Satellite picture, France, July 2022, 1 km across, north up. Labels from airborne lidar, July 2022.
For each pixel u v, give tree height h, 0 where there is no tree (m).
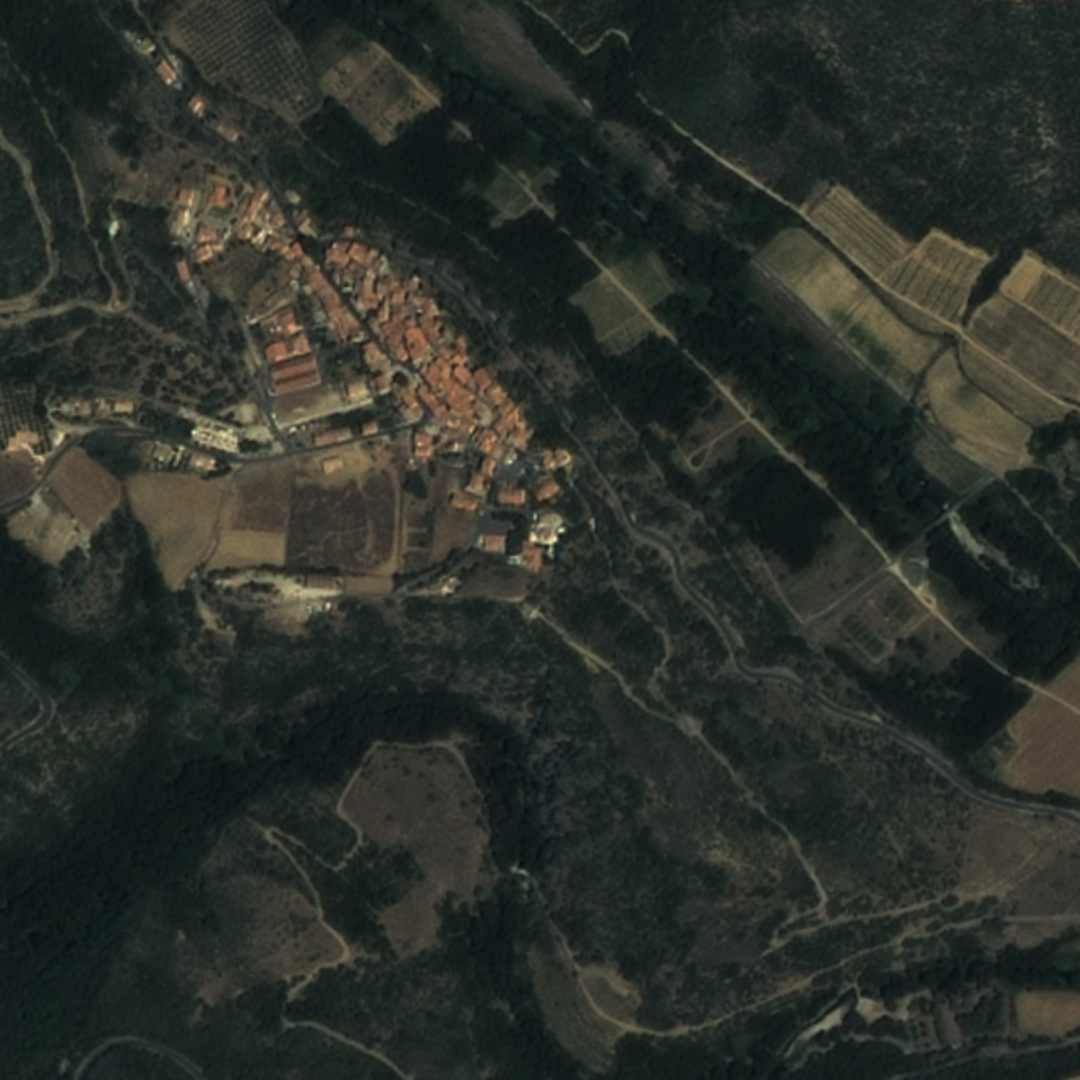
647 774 0
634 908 6
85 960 9
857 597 0
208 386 9
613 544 10
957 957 18
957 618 0
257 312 0
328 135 12
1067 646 9
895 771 7
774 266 0
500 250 11
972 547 0
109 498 0
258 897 0
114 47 7
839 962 8
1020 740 0
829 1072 9
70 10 10
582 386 6
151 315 7
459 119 13
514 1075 10
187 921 7
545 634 6
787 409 10
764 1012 6
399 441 0
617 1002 0
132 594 8
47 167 9
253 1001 6
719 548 7
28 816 6
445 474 0
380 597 0
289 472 0
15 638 11
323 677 7
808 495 14
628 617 5
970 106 6
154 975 7
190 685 7
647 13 12
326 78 0
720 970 7
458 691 6
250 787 13
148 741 10
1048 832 0
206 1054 8
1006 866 0
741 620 9
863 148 6
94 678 10
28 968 10
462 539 0
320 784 8
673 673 6
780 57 9
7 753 8
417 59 9
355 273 0
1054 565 9
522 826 20
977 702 10
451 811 0
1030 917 0
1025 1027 0
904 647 11
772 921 8
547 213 8
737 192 7
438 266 6
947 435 0
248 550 0
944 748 7
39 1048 7
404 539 0
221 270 0
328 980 7
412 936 0
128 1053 7
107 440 6
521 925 23
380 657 7
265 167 16
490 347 8
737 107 0
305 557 0
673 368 8
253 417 0
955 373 0
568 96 0
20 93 10
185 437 9
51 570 6
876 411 7
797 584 0
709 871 6
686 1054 8
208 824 9
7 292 7
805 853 6
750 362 12
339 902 6
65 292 8
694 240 13
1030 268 0
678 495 7
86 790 8
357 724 25
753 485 10
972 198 6
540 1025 8
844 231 0
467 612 6
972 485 0
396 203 8
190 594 9
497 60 0
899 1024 7
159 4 7
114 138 7
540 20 12
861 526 9
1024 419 0
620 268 0
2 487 0
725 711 7
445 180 11
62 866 17
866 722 0
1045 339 0
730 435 0
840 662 11
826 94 6
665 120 9
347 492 0
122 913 10
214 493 0
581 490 10
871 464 10
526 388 9
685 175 7
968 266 0
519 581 0
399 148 13
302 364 0
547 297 8
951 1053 11
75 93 10
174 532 0
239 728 6
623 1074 8
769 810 8
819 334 0
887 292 0
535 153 6
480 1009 6
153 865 14
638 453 6
